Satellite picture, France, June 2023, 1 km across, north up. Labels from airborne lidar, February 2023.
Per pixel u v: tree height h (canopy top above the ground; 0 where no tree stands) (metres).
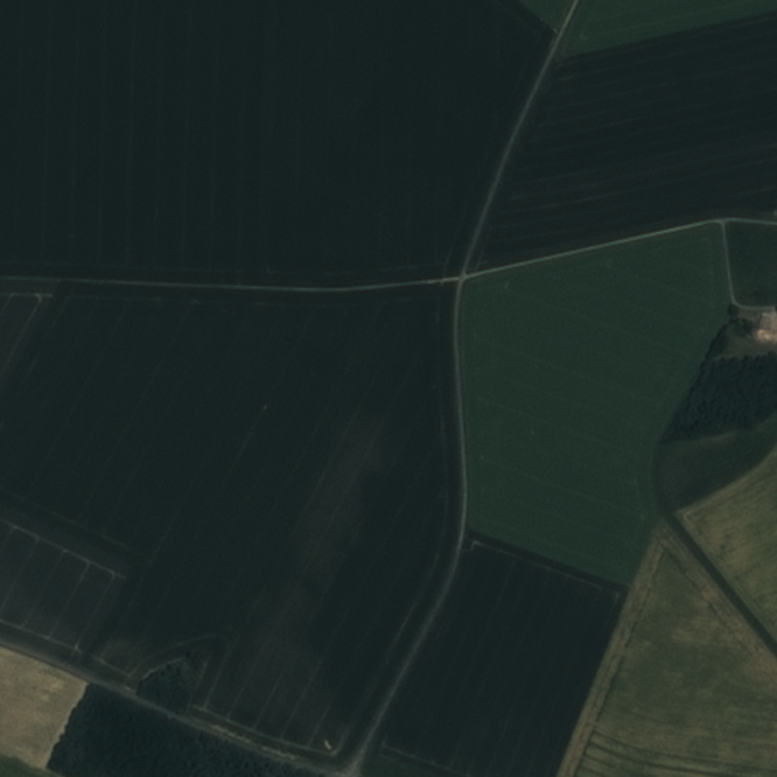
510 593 0
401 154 0
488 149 0
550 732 0
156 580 0
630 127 0
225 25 0
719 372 16
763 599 0
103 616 0
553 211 0
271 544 0
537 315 0
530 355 0
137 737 16
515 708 0
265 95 0
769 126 0
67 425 0
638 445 0
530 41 0
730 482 0
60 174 0
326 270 0
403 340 0
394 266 0
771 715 0
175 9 0
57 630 0
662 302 0
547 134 0
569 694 0
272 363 0
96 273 0
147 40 0
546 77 0
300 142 0
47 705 0
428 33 0
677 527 0
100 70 0
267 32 0
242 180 0
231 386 0
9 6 0
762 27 0
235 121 0
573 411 0
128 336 0
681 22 0
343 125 0
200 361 0
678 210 0
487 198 0
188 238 0
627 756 0
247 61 0
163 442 0
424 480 0
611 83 0
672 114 0
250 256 0
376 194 0
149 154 0
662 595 0
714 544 0
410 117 0
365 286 0
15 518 0
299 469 0
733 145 0
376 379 0
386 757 0
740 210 0
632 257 0
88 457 0
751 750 0
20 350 0
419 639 0
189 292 0
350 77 0
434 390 0
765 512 0
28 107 0
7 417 0
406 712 0
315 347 0
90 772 14
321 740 0
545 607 0
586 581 0
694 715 0
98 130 0
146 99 0
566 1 0
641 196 0
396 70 0
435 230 0
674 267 0
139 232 0
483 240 0
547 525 0
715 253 0
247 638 0
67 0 0
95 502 0
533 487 0
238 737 0
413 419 0
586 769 0
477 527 0
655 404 0
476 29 0
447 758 0
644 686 0
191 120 0
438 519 0
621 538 0
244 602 0
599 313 0
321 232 0
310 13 0
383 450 0
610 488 0
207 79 0
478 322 0
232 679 0
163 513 0
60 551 0
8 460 0
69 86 0
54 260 0
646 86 0
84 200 0
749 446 0
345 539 0
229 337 0
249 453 0
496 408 0
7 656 0
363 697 0
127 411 0
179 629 0
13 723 0
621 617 0
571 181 0
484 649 0
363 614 0
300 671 0
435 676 0
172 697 16
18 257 0
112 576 0
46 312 0
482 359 0
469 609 0
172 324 0
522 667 0
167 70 0
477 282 0
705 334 0
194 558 0
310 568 0
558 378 0
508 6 0
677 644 0
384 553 0
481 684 0
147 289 0
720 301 0
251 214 0
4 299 0
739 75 0
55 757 9
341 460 0
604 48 0
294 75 0
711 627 0
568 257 0
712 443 0
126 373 0
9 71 0
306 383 0
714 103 0
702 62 0
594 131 0
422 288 0
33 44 0
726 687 0
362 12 0
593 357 0
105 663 0
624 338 0
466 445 0
